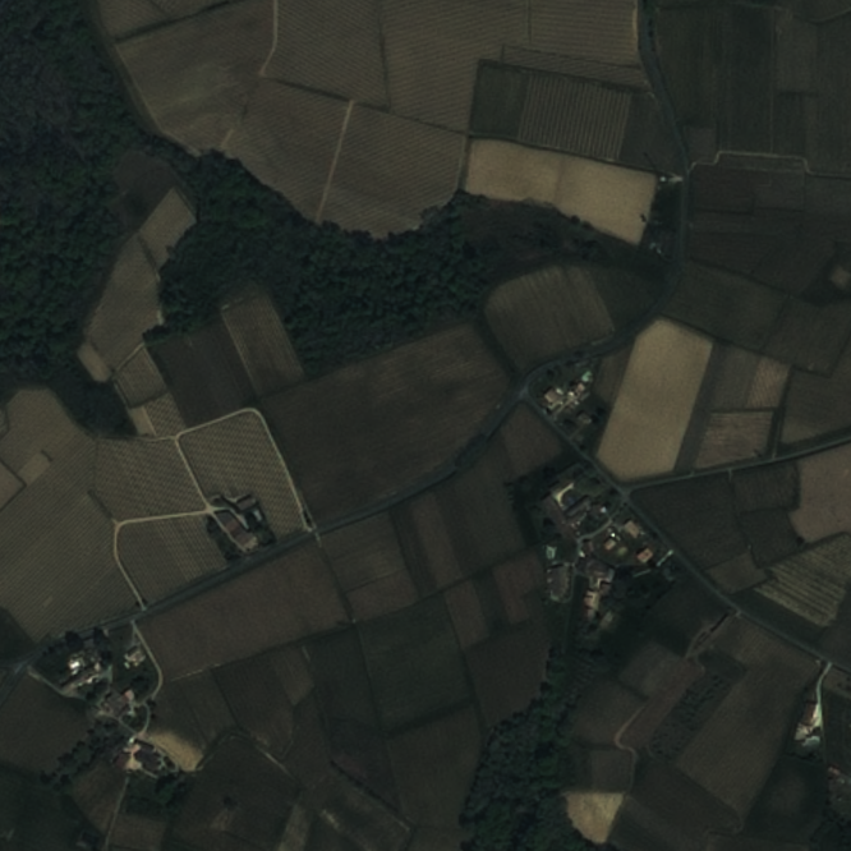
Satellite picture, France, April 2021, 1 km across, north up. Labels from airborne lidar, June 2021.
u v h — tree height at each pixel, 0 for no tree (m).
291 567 0
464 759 0
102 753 8
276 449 0
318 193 0
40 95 18
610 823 0
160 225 0
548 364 0
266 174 0
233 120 0
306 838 0
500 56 0
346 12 0
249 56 0
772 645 0
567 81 0
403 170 0
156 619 0
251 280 11
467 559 0
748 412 0
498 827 23
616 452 0
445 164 0
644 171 0
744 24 0
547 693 14
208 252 8
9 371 9
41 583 0
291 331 9
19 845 0
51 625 0
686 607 0
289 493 0
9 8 19
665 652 0
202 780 0
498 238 0
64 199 17
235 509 6
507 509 0
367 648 0
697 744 0
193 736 0
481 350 0
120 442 0
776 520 0
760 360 0
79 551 0
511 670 0
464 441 0
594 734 0
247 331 0
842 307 0
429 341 0
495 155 0
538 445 0
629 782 0
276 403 0
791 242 0
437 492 0
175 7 0
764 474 0
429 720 0
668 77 0
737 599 0
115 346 0
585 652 7
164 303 8
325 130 0
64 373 9
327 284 16
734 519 0
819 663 0
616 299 0
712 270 0
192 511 0
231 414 0
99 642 11
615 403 0
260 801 0
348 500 0
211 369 0
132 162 0
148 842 0
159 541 0
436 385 0
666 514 0
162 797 12
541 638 0
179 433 0
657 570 14
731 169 0
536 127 0
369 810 0
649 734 0
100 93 19
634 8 0
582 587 0
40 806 0
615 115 0
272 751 0
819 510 0
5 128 20
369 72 0
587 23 0
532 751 14
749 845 0
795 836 0
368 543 0
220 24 0
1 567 0
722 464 0
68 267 21
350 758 0
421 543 0
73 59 26
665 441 0
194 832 0
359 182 0
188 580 0
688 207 0
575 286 0
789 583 0
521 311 0
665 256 8
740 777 0
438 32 0
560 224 16
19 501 0
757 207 0
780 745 0
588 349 0
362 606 0
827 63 0
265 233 17
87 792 0
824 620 0
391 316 21
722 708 0
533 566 0
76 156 28
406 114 0
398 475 0
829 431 0
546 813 18
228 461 0
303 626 0
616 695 0
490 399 0
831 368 0
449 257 11
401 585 0
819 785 0
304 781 0
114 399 15
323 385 0
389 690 0
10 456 0
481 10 0
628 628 0
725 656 0
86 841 0
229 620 0
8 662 0
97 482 0
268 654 0
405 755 0
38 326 15
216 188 20
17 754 0
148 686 7
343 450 0
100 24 0
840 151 0
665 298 0
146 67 0
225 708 0
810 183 0
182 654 0
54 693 0
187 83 0
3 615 0
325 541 0
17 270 23
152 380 0
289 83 0
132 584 0
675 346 0
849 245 0
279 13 0
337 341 8
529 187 0
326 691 0
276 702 0
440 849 0
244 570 0
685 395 0
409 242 16
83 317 15
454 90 0
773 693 0
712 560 0
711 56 0
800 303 0
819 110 0
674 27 0
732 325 0
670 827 0
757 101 0
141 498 0
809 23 0
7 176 17
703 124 0
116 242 12
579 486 15
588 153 0
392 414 0
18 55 19
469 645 0
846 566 0
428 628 0
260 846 0
